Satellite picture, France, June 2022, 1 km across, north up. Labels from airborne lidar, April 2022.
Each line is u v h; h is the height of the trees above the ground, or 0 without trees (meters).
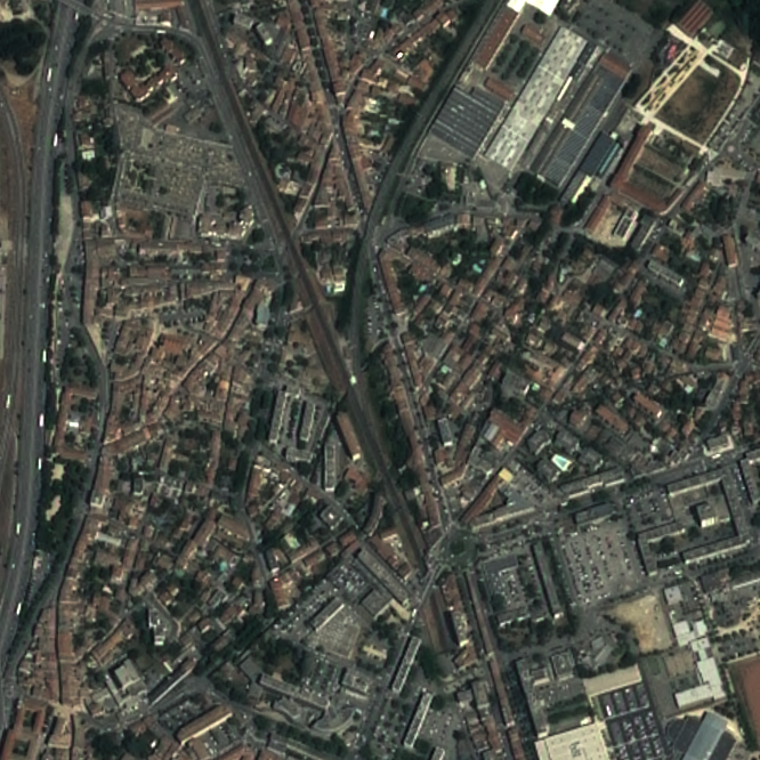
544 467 0
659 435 15
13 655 10
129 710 0
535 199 9
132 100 7
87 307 0
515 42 7
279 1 6
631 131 0
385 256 0
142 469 7
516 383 0
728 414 10
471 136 0
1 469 0
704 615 6
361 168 0
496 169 0
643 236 0
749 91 0
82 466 10
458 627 0
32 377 0
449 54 8
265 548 14
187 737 0
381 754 0
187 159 0
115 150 13
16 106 0
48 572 0
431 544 0
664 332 0
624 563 0
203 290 0
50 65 0
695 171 8
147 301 0
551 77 0
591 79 0
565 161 0
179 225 0
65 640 0
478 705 0
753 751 10
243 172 0
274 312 11
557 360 12
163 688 0
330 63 0
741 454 0
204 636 12
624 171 0
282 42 0
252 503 13
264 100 7
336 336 0
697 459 0
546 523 0
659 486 8
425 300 0
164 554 8
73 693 0
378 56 0
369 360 13
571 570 0
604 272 0
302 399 0
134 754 14
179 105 0
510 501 0
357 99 0
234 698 14
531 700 0
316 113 0
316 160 0
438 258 7
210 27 0
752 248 0
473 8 8
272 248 0
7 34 17
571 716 7
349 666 0
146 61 10
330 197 0
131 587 0
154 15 0
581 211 10
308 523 9
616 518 9
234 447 6
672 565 9
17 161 0
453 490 0
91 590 7
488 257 6
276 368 11
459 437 7
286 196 6
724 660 6
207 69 0
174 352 0
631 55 0
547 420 0
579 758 0
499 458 0
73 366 16
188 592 6
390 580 0
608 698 0
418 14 0
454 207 0
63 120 9
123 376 0
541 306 7
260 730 12
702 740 0
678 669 0
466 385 0
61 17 0
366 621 0
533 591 15
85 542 0
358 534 10
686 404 12
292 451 0
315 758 0
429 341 0
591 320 0
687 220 8
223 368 0
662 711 0
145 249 0
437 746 0
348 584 0
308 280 0
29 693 0
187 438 10
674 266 14
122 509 0
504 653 16
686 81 0
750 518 0
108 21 0
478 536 0
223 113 0
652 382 7
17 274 0
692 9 0
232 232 0
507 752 0
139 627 9
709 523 0
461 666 0
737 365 0
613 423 0
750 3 18
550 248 10
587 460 0
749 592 0
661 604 0
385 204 0
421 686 0
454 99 0
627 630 9
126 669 0
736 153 0
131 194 0
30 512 0
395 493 0
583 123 0
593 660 0
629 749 0
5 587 0
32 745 0
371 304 0
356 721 10
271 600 13
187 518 0
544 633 9
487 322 10
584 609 0
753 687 0
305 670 22
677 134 0
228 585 12
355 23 7
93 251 0
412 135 0
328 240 0
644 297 6
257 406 10
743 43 0
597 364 6
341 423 0
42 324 0
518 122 0
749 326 0
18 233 0
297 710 0
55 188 9
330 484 0
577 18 8
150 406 7
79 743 0
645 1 0
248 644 11
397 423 8
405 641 0
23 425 0
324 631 0
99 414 0
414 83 0
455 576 6
